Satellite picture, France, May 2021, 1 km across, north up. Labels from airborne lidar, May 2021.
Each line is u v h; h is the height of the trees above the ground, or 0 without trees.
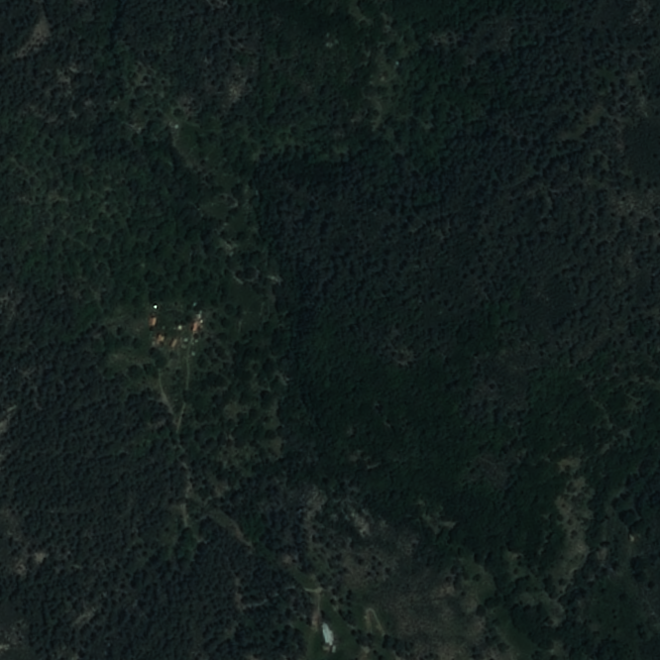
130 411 16
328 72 7
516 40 10
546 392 17
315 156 23
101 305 15
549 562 9
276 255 19
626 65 20
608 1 22
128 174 13
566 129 21
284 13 12
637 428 18
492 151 22
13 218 15
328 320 22
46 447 16
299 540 19
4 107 14
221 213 0
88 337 14
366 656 0
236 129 15
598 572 15
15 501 19
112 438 26
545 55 23
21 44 9
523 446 12
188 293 16
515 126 22
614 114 20
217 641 21
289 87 11
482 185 6
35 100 14
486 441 12
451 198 23
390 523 8
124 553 17
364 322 15
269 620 22
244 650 20
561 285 8
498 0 10
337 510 9
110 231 24
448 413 14
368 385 23
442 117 19
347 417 20
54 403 16
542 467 19
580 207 18
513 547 21
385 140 13
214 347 7
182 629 18
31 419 13
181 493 19
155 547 16
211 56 16
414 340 15
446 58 21
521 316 8
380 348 18
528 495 23
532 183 16
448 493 13
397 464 15
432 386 25
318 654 0
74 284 7
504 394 6
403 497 10
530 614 18
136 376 21
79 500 16
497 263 21
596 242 20
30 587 14
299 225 21
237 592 17
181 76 15
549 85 20
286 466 15
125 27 25
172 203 18
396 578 21
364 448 19
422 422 16
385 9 16
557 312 6
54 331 22
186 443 22
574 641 20
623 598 10
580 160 22
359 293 21
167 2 19
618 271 21
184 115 14
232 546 20
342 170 11
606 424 16
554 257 24
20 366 13
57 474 19
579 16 18
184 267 19
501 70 23
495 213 20
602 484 13
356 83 15
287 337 23
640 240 19
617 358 19
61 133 14
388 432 19
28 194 6
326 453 22
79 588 22
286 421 19
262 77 13
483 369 12
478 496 13
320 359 20
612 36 21
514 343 13
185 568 20
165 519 25
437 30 8
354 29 10
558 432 12
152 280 22
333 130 20
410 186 27
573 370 12
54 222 20
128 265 17
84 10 18
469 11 15
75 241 19
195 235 21
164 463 20
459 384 22
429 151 17
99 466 20
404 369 20
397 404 21
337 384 19
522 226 23
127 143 20
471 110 8
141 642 17
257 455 7
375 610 0
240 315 13
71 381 22
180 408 8
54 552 16
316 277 17
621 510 16
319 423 19
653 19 20
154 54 14
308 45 10
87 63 23
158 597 14
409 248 13
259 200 9
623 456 19
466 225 19
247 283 9
